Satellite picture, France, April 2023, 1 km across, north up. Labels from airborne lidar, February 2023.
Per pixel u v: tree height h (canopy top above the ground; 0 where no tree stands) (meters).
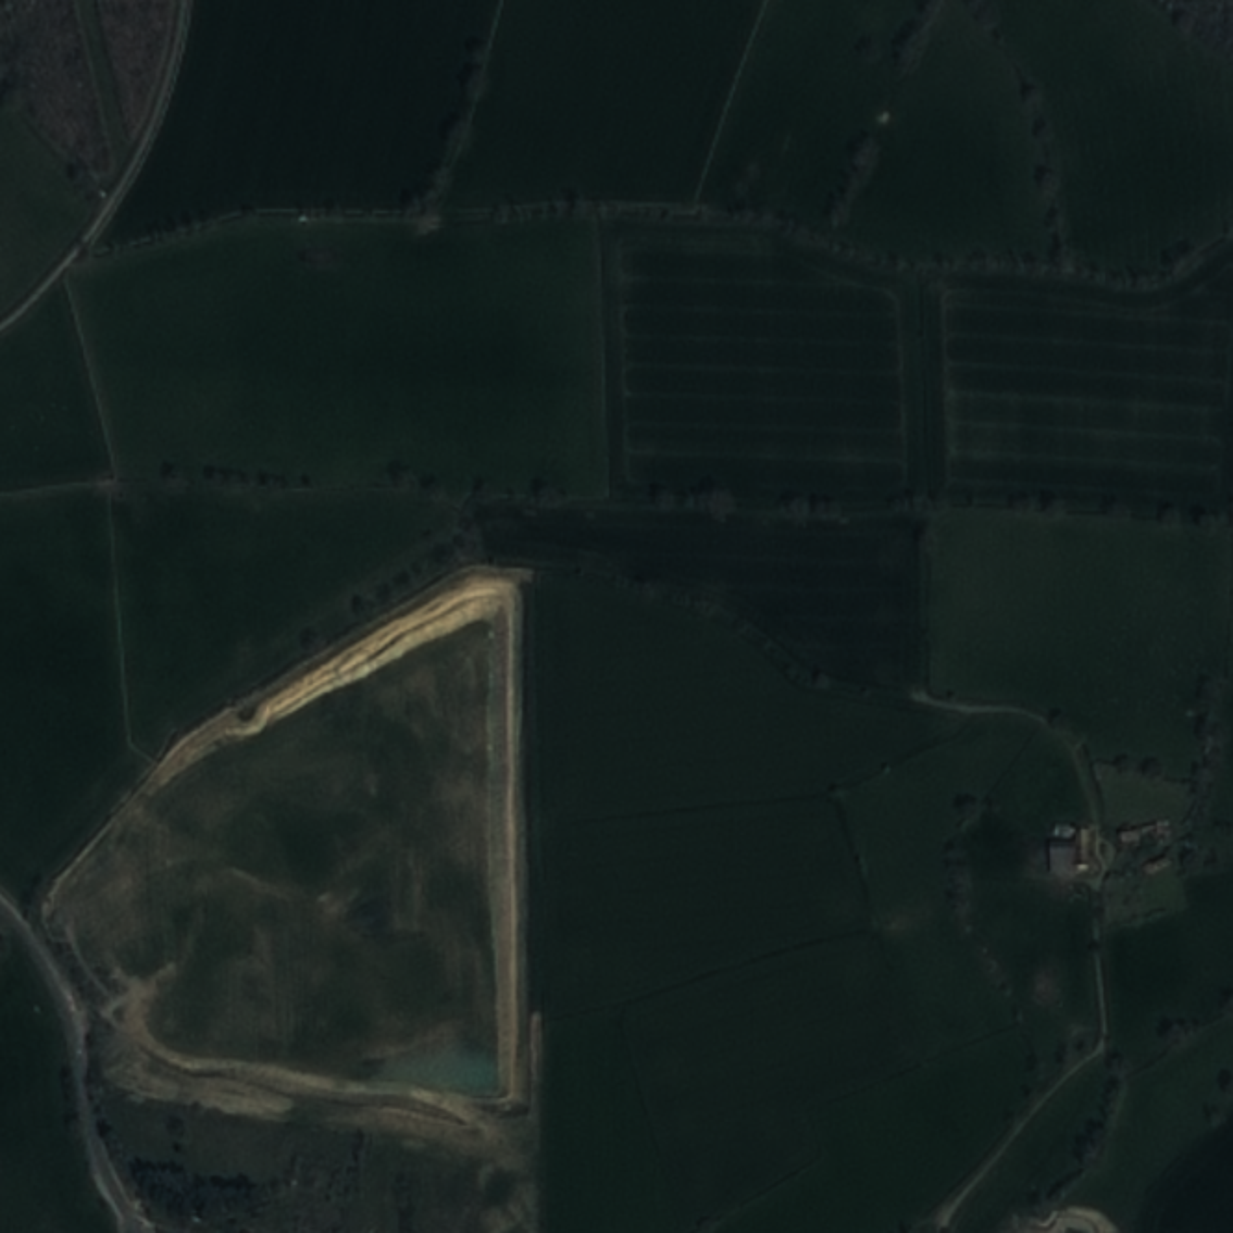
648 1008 0
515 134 0
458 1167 0
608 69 0
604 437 0
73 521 0
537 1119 0
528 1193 0
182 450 0
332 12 0
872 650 0
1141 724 0
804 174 0
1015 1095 0
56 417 0
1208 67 0
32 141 0
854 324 0
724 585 0
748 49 0
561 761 0
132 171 0
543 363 0
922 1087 0
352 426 0
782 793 0
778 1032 0
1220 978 0
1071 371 0
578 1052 0
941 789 0
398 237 0
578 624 0
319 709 0
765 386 0
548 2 0
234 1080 0
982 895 0
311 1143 0
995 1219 0
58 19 12
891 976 0
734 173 0
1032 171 0
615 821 0
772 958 0
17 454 0
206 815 0
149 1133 0
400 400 0
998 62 0
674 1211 0
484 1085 0
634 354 0
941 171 0
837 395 0
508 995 0
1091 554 0
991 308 0
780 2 0
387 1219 0
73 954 8
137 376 0
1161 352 0
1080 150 0
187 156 0
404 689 0
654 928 0
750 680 0
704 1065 0
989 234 0
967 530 0
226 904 0
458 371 0
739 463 0
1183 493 0
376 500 0
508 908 0
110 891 0
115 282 0
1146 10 0
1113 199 0
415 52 0
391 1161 0
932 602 0
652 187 0
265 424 0
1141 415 0
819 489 0
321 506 0
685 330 0
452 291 0
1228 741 12
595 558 0
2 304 0
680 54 0
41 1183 0
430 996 0
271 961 0
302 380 0
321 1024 0
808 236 16
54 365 0
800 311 0
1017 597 0
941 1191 0
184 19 0
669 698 0
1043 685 0
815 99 0
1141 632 0
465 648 0
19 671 0
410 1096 0
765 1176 0
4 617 0
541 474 0
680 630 0
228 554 0
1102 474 0
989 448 0
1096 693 0
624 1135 0
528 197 0
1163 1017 0
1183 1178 0
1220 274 0
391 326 0
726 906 0
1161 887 0
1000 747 0
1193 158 0
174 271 0
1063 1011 0
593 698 0
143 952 0
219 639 0
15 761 0
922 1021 0
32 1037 0
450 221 0
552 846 0
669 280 0
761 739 0
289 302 0
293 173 0
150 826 0
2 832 0
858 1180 0
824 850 0
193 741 0
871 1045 0
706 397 0
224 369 0
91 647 0
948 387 0
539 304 0
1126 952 0
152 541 0
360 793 0
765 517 0
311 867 0
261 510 0
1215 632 0
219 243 0
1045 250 0
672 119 0
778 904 0
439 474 0
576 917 0
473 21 0
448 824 0
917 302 0
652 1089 0
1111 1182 0
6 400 0
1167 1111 0
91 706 0
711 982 0
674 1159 0
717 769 0
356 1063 0
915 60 15
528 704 0
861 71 0
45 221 0
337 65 0
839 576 0
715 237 0
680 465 0
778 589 0
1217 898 0
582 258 0
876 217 0
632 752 0
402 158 0
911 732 0
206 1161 0
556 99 0
